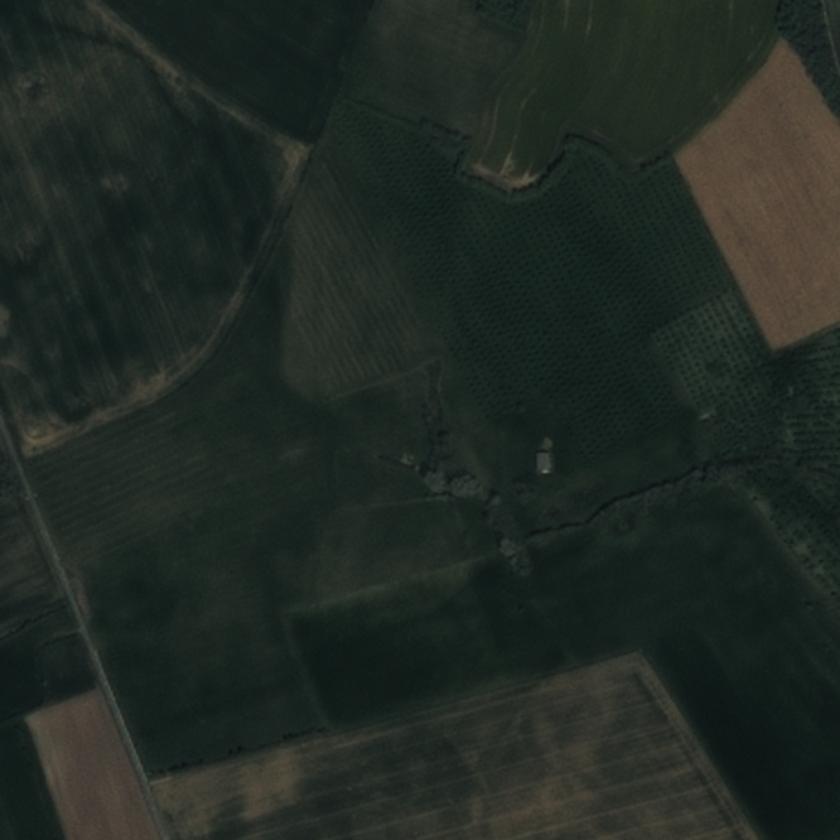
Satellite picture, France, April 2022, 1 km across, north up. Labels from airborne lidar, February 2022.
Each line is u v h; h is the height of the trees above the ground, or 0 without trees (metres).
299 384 0
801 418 6
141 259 0
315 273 0
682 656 0
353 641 0
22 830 0
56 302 0
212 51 0
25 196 0
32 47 0
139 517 0
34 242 0
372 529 0
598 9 0
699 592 0
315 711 0
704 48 0
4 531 0
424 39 0
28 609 0
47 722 0
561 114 0
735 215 0
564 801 0
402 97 0
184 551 0
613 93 0
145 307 0
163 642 0
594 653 0
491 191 9
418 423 0
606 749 0
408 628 0
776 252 0
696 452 0
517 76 0
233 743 0
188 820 0
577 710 0
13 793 0
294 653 0
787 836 0
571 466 0
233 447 0
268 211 0
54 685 0
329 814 0
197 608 0
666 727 0
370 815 0
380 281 0
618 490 0
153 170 0
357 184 0
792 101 0
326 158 0
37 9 0
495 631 0
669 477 0
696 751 0
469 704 0
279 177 0
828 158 0
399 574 0
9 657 0
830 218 0
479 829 0
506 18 11
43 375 0
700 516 0
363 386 0
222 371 0
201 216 0
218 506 0
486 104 0
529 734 0
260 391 0
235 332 0
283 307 0
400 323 0
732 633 0
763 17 0
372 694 0
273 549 0
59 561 0
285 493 0
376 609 0
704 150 0
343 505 0
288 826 0
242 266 0
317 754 0
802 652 0
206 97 0
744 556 0
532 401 0
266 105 0
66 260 0
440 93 0
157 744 0
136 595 0
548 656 0
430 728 0
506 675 0
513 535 16
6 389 0
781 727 0
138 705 0
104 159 0
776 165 0
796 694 0
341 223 0
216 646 0
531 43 0
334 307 0
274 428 0
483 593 0
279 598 0
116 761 0
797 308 0
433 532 0
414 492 0
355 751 0
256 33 0
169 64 0
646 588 0
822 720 0
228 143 0
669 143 0
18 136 0
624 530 0
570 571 0
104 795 0
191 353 0
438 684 0
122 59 0
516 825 0
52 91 0
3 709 0
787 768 0
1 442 0
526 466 0
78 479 0
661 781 0
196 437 0
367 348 0
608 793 0
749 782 0
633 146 0
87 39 0
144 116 0
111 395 0
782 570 0
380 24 0
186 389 0
